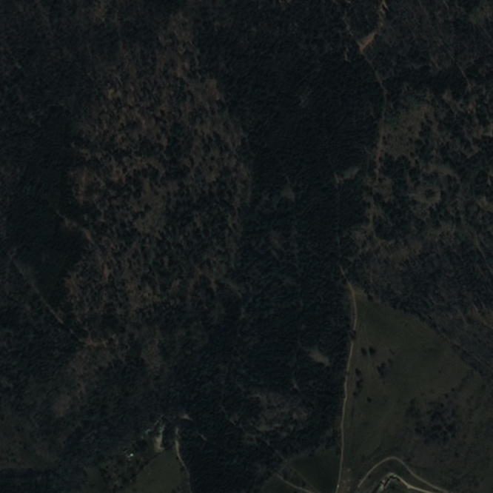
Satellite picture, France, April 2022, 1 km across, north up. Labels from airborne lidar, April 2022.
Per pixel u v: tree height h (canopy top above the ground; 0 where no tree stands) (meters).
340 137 16
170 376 20
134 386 31
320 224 15
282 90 14
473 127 24
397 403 0
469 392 0
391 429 0
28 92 29
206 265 9
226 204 35
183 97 34
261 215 19
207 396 10
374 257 22
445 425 14
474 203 23
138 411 31
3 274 28
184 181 12
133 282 7
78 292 8
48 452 29
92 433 27
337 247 15
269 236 15
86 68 25
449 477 0
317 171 14
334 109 17
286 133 17
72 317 11
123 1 26
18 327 32
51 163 23
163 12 26
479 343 25
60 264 19
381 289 19
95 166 7
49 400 15
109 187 8
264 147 17
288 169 14
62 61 16
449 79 17
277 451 8
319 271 16
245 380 8
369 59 18
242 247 34
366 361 0
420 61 8
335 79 17
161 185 7
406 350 0
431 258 27
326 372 14
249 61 26
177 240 18
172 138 15
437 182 21
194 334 20
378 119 13
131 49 24
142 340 25
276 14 25
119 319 13
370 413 0
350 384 0
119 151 12
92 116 18
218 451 18
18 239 23
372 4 25
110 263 12
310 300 12
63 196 12
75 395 16
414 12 29
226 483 22
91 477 0
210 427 19
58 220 15
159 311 32
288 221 16
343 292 16
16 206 22
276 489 0
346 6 29
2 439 20
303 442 14
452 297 31
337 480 0
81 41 23
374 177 13
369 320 0
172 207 9
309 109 17
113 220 15
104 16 24
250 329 8
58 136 19
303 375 15
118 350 20
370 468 0
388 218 20
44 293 20
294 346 14
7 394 29
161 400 20
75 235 11
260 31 22
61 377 15
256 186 16
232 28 24
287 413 8
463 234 28
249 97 27
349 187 13
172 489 0
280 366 14
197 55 28
